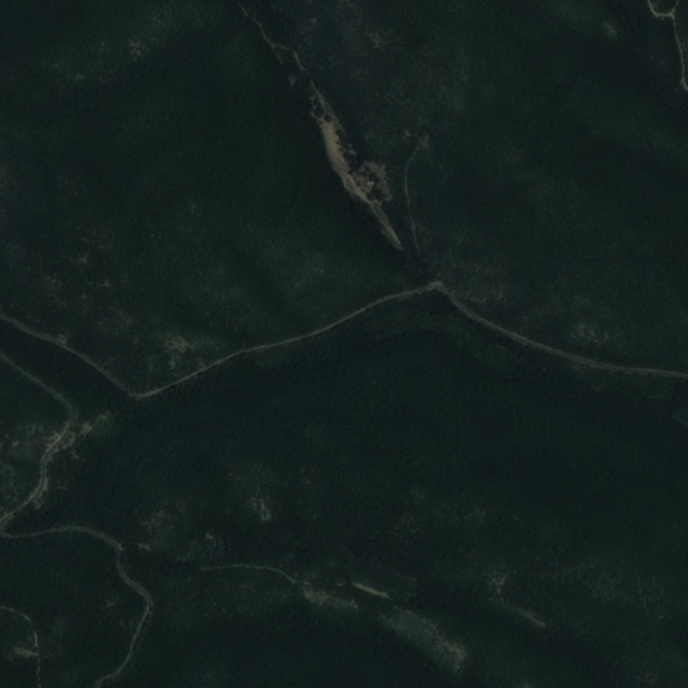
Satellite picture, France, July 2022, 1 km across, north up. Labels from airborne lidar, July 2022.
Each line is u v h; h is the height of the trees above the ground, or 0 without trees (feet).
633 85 29
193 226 20
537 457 24
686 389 31
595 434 22
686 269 24
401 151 23
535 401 33
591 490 31
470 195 22
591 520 29
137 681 46
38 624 28
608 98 20
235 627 34
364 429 29
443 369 29
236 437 23
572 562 21
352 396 26
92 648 45
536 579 21
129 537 19
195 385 37
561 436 22
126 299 20
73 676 33
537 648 33
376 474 21
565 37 29
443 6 22
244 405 31
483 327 32
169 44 34
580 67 29
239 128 27
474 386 23
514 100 20
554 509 31
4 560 34
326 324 21
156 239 23
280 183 26
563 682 25
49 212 20
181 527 23
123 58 24
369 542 27
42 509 32
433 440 22
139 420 36
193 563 26
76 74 24
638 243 19
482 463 24
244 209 26
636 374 20
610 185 22
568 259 23
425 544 30
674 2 24
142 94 22
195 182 23
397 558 26
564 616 19
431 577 37
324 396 31
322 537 39
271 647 37
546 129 26
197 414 27
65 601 28
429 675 27
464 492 20
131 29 18
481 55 19
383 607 28
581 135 22
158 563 21
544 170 19
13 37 18
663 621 25
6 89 26
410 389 21
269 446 30
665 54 20
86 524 28
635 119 18
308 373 51
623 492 25
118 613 20
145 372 22
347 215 34
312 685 26
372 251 29
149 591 20
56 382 46
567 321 19
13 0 21
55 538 20
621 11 30
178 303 34
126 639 24
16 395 23
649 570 20
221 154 25
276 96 28
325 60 19
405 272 23
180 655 49
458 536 29
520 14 24
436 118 25
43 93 24
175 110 19
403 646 24
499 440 27
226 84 28
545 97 28
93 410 27
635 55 30
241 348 31
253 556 23
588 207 19
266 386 38
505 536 26
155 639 42
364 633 32
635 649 24
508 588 31
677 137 19
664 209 23
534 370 20
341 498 22
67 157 20
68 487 34
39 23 24
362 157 37
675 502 31
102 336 17
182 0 21
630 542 24
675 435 33
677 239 28
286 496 26
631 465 23
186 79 25
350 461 22
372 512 26
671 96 20
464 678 33
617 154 28
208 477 22
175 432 27
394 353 35
